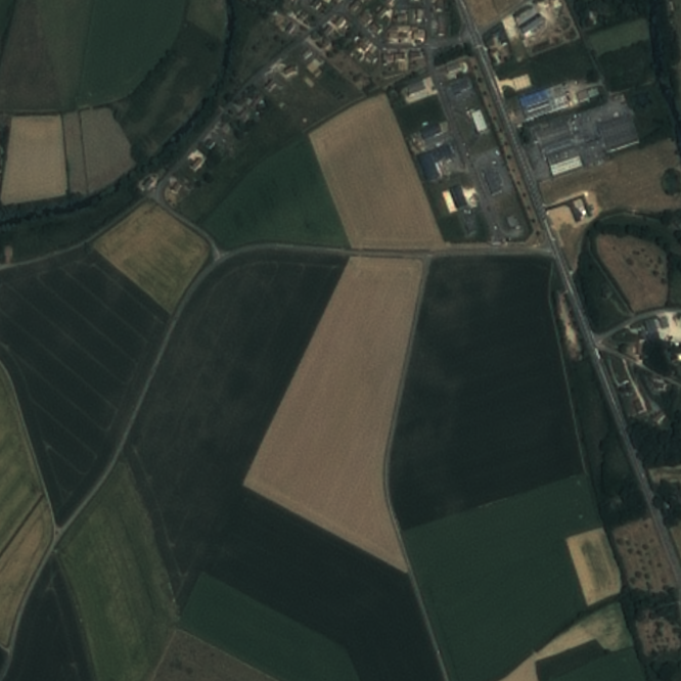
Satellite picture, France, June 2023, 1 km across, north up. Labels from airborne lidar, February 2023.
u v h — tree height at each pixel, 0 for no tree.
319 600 0
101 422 0
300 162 0
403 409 0
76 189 0
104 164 0
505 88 0
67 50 0
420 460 0
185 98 0
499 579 0
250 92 8
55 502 0
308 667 0
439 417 0
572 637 0
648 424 6
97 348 0
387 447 0
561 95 0
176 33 0
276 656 0
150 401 0
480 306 0
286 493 0
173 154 11
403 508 0
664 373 14
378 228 0
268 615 0
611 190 0
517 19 0
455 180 0
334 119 0
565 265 0
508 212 0
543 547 0
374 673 0
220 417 0
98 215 0
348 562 0
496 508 0
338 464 0
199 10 0
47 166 0
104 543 0
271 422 0
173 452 0
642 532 0
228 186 0
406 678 0
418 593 0
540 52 0
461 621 0
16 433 0
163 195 0
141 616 0
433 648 0
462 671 0
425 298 0
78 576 0
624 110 0
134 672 0
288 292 0
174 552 0
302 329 0
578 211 0
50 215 10
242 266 0
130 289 0
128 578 0
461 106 0
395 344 0
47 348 0
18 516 0
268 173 0
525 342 0
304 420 0
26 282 0
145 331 0
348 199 0
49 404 0
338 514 0
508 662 0
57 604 0
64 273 0
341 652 0
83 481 0
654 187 0
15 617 0
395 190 0
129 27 0
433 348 0
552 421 0
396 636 0
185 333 0
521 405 0
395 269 0
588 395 0
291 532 0
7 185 0
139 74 0
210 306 0
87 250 6
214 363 0
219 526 0
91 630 0
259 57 0
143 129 0
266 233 0
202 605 0
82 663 0
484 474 0
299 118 0
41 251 0
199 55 0
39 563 0
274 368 0
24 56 0
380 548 0
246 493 0
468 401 0
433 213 0
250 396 0
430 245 0
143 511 0
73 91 0
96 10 0
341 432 0
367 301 0
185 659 0
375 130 0
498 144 0
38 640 0
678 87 15
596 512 0
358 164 0
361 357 0
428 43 0
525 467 0
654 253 0
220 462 0
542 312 0
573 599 0
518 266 0
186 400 0
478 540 0
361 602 0
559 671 0
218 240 0
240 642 0
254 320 0
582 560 0
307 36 0
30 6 0
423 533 0
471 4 0
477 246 0
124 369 0
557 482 0
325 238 0
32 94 0
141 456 0
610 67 0
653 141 10
